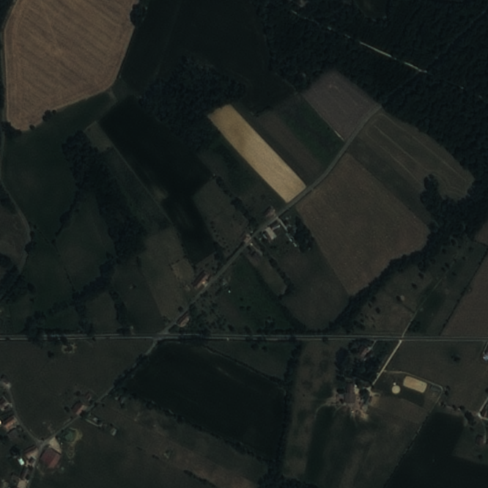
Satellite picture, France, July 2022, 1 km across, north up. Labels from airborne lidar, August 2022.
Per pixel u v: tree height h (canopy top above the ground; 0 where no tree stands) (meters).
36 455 0
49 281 0
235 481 0
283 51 19
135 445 0
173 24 0
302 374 0
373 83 18
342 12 23
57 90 0
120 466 0
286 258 0
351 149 0
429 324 0
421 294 0
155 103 18
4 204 14
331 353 0
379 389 0
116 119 0
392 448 0
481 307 0
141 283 0
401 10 12
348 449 0
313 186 0
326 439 0
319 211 0
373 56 11
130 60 0
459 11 15
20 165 0
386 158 0
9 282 20
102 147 0
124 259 16
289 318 6
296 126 0
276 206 0
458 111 18
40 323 14
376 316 0
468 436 0
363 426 0
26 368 0
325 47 11
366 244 0
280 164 0
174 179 0
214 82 25
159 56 0
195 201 0
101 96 0
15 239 0
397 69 13
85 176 5
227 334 0
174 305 0
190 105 18
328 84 0
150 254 0
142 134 0
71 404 0
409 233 0
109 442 0
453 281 0
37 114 0
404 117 16
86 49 0
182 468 0
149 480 0
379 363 8
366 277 0
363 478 0
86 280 0
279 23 13
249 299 0
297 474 0
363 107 0
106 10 0
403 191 0
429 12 14
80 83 0
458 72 15
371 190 0
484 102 17
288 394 7
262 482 15
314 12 14
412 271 0
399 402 0
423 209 0
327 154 0
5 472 0
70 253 0
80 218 0
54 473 0
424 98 26
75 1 0
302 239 18
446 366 0
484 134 25
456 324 0
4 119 0
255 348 17
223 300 0
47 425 0
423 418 0
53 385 0
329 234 0
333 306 0
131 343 0
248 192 0
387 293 0
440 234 18
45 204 0
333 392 0
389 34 13
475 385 0
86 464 0
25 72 0
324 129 0
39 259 0
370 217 0
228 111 0
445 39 14
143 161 0
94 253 0
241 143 0
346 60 19
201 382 0
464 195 0
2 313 0
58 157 0
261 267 0
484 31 13
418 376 0
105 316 0
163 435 0
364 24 10
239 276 0
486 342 0
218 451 0
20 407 0
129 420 0
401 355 0
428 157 0
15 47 0
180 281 0
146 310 0
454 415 0
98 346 0
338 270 0
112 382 0
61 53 0
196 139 18
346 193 0
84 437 0
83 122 0
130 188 6
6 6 17
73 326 0
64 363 0
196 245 0
